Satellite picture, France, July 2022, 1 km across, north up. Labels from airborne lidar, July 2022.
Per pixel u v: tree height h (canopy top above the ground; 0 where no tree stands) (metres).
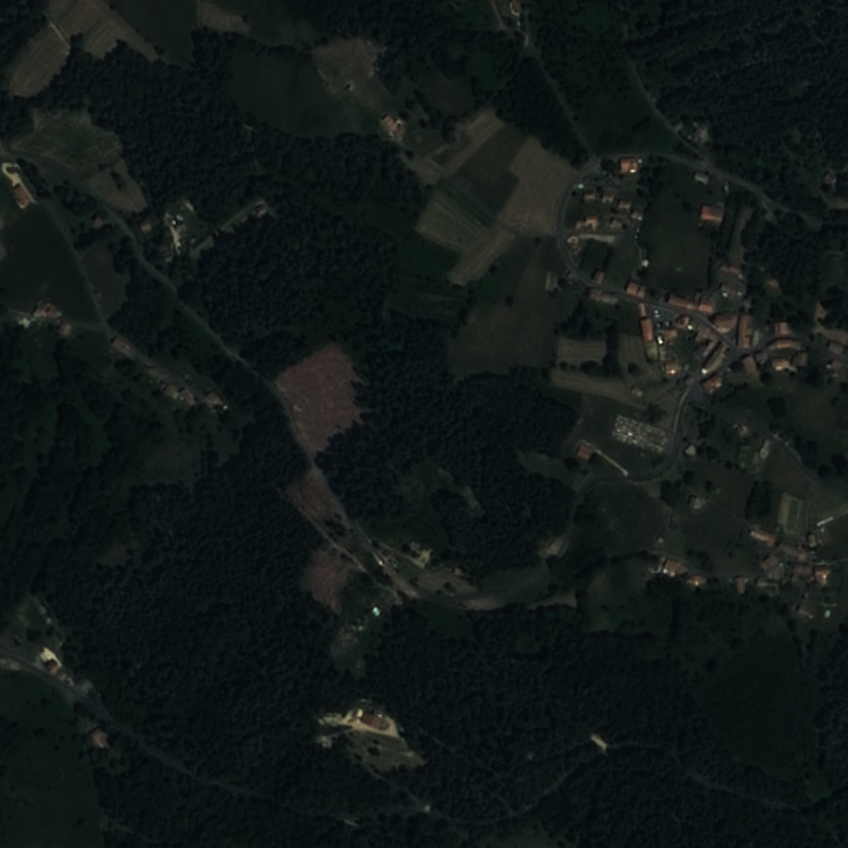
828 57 26
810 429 0
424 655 24
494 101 7
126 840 12
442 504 24
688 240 0
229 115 14
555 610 21
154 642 24
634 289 0
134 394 16
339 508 0
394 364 18
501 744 26
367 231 6
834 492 0
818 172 18
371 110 0
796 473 0
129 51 18
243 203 12
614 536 0
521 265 0
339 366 0
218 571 34
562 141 21
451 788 23
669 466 0
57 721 0
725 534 0
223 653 19
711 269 8
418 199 13
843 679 17
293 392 0
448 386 17
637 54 25
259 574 28
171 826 20
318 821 14
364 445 19
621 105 0
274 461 25
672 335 0
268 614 25
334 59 0
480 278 0
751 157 16
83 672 13
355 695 19
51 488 24
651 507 0
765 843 18
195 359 11
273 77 0
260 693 18
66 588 24
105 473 22
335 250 7
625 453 0
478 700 21
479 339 0
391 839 16
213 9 0
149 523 18
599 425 0
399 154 12
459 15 10
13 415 20
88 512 15
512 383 23
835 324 18
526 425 23
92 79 21
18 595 23
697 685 9
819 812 21
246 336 12
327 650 18
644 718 19
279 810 29
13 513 7
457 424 23
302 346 26
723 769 20
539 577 0
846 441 0
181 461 0
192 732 12
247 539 23
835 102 22
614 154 0
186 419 8
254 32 0
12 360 19
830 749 16
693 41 24
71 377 17
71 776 0
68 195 19
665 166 9
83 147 0
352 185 9
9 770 11
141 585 23
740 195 8
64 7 0
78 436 24
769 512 12
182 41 0
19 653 0
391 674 17
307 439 0
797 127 10
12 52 17
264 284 22
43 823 0
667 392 0
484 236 0
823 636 6
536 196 0
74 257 0
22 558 20
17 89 0
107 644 13
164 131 20
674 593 17
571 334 13
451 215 0
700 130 0
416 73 15
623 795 27
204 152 18
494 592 0
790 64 19
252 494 21
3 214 0
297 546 32
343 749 15
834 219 20
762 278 14
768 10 20
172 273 16
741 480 0
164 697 12
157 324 18
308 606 33
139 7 0
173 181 29
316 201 10
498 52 6
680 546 0
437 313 0
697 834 34
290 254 22
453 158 0
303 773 32
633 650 22
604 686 27
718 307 0
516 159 0
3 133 12
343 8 19
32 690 0
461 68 15
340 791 30
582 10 8
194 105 16
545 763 25
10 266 0
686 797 20
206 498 28
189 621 25
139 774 22
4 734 20
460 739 27
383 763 0
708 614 9
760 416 0
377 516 31
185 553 21
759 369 8
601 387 0
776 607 13
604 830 17
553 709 33
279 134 11
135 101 23
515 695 34
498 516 23
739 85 25
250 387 24
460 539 24
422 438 25
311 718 16
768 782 24
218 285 12
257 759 19
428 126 15
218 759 9
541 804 13
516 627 26
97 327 0
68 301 0
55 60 0
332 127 0
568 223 0
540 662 30
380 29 22
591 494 6
